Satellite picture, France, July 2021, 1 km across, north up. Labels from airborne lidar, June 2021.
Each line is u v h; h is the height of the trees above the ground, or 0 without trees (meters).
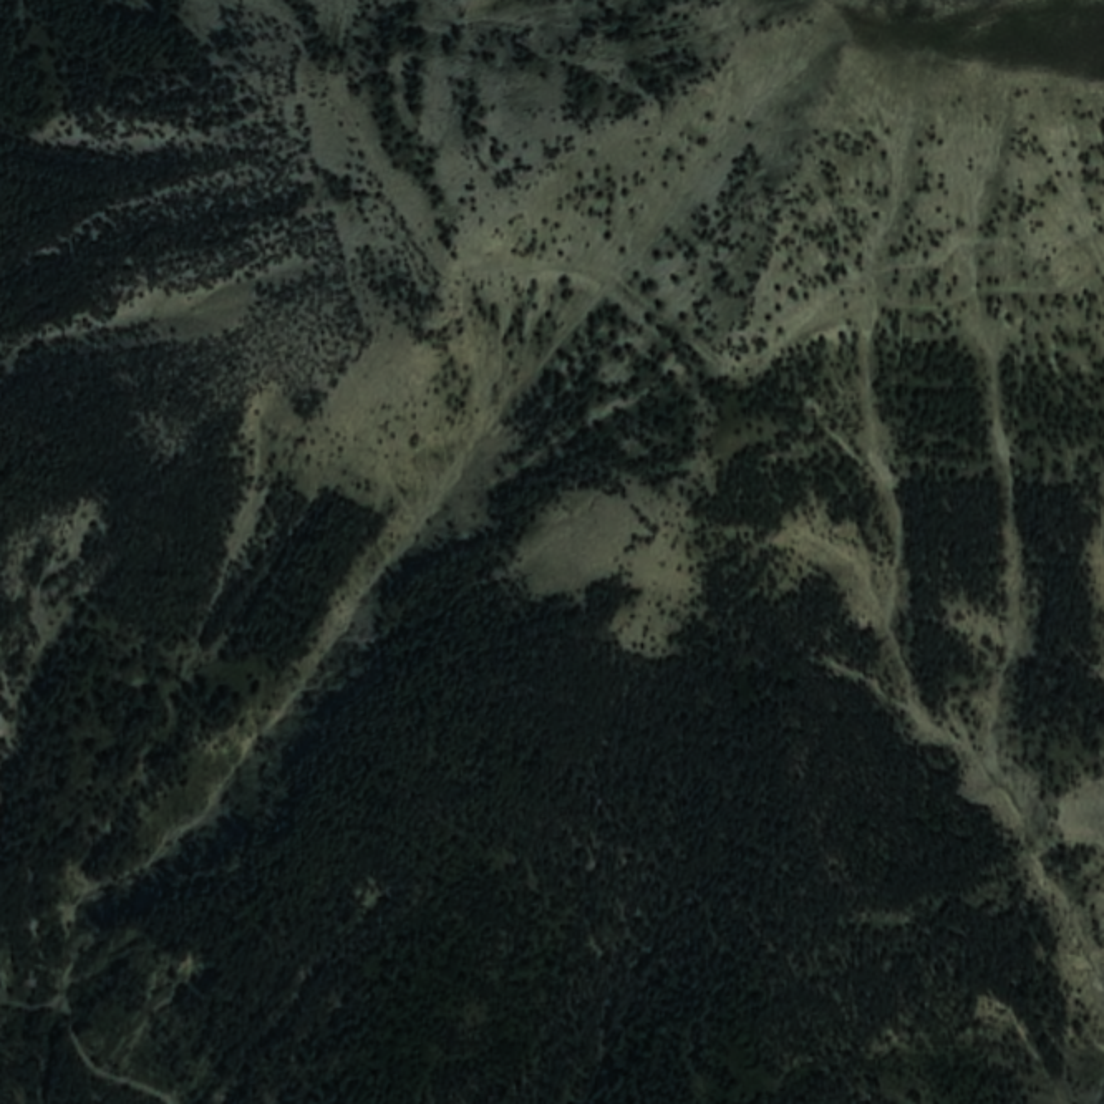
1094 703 10
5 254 14
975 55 0
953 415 11
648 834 16
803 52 0
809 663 11
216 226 9
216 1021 20
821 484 12
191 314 0
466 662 17
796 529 0
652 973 12
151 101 9
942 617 9
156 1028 9
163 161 7
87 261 12
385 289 6
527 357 0
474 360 0
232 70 7
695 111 0
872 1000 12
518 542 6
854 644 14
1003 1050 8
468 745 20
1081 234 0
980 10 0
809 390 7
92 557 13
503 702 14
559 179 0
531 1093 21
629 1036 7
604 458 11
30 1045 16
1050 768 8
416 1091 7
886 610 0
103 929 20
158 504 13
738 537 6
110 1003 13
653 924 8
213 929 22
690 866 13
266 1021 22
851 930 12
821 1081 25
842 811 21
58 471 20
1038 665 20
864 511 11
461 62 0
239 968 20
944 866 19
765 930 14
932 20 0
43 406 12
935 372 9
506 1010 7
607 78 0
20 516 11
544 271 0
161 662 7
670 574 0
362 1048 10
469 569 13
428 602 16
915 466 10
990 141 0
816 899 14
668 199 0
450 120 0
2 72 21
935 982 6
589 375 7
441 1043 7
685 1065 17
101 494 8
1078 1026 13
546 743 18
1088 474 9
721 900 13
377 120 9
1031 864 0
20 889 15
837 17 0
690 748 16
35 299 12
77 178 15
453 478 0
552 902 5
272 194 7
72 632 7
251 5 0
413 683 21
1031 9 0
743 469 8
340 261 6
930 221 0
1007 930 21
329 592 14
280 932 14
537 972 6
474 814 17
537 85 0
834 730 19
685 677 13
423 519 0
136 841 11
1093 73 0
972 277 0
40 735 9
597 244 0
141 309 0
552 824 16
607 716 13
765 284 0
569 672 15
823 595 12
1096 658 6
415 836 23
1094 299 10
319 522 19
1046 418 11
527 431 8
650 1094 22
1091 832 0
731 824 19
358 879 19
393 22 12
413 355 0
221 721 17
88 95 12
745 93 0
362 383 0
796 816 13
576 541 0
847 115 0
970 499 18
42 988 6
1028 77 0
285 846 26
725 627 9
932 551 16
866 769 18
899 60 0
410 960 12
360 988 14
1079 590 16
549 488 11
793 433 6
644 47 0
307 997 18
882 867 22
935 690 9
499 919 6
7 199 19
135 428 8
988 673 6
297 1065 9
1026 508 18
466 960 7
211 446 9
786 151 0
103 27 25
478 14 0
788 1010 14
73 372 9
